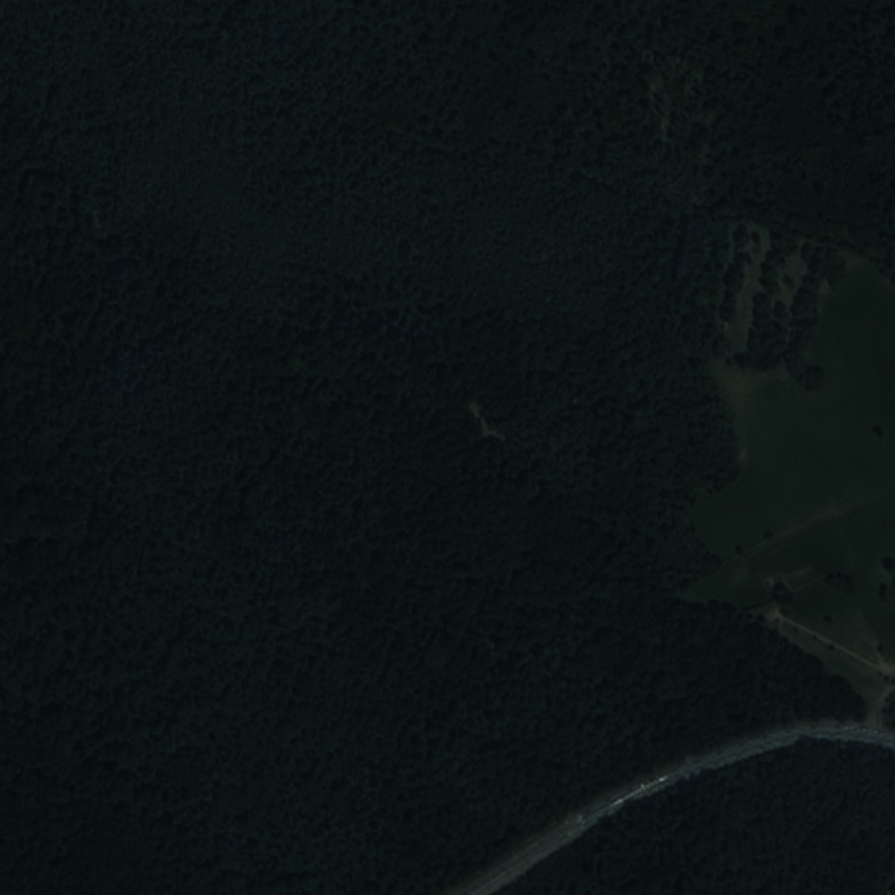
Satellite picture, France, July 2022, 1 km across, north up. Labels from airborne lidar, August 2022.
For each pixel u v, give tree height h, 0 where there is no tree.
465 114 12
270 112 21
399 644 29
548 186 17
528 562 22
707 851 19
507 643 19
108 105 14
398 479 23
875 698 0
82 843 18
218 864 18
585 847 13
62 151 22
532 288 24
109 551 25
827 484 0
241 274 19
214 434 26
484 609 25
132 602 25
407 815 20
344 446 25
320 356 22
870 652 0
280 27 18
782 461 0
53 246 25
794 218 9
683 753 18
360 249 23
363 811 19
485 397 22
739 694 19
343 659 19
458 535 25
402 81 11
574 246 22
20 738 25
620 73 17
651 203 13
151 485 24
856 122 16
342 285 8
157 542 16
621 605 25
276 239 26
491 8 21
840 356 0
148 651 18
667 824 24
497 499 26
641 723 14
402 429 26
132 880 18
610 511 22
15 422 24
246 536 18
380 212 21
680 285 20
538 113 9
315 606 19
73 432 23
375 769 24
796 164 7
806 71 9
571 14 10
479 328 27
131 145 18
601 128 17
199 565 14
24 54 20
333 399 10
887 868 21
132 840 21
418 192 19
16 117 21
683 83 13
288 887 23
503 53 9
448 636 27
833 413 0
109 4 18
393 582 26
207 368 28
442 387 31
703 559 14
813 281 18
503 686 22
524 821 7
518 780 20
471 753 22
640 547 23
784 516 0
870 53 13
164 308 13
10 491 25
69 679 28
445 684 25
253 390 20
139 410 22
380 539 24
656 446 21
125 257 16
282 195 18
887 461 0
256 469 17
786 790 19
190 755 20
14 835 21
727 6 13
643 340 20
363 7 17
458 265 20
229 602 19
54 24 24
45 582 27
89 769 32
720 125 12
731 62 18
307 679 20
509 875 0
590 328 18
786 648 24
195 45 19
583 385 22
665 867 24
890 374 0
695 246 29
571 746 24
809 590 0
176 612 22
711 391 8
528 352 19
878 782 18
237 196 21
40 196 20
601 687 29
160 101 19
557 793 17
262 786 19
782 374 0
